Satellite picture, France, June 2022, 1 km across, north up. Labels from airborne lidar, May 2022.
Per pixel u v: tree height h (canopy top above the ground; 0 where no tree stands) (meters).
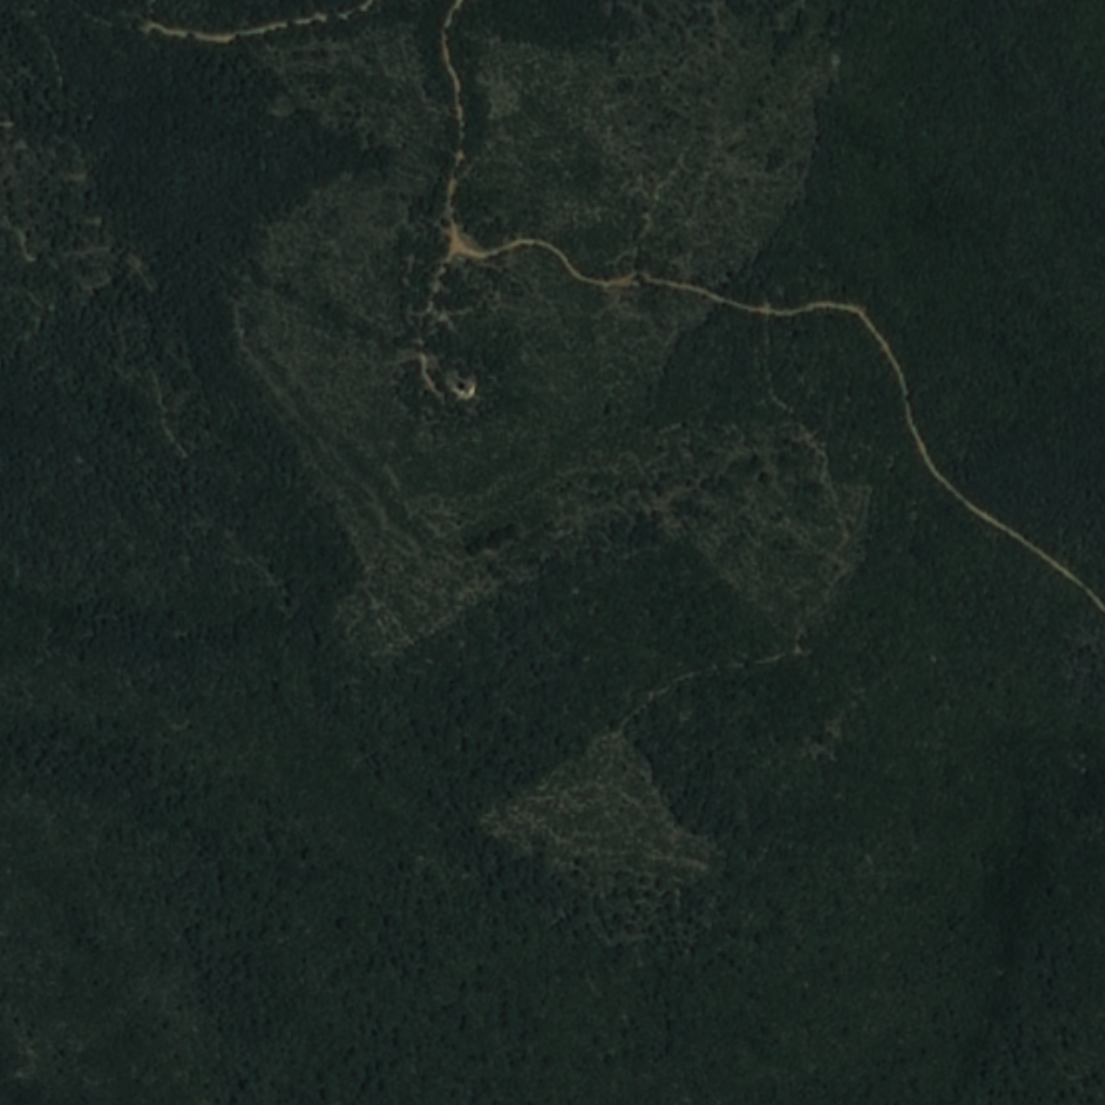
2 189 9
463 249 0
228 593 10
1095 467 10
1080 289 7
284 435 12
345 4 10
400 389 8
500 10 8
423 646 8
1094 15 8
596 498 8
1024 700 6
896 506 7
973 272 7
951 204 8
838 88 7
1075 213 8
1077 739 9
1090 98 12
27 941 6
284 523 7
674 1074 6
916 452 7
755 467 8
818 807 6
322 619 10
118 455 7
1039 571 6
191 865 7
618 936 9
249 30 6
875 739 6
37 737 11
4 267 10
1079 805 9
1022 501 8
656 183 8
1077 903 6
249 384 6
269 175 8
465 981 7
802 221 6
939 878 6
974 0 11
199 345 8
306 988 6
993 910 11
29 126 9
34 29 8
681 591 7
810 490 7
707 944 6
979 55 8
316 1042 8
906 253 9
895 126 8
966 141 7
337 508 7
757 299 10
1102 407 10
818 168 9
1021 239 7
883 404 6
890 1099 6
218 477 10
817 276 6
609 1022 6
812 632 6
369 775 6
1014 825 7
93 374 9
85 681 7
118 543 6
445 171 7
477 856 8
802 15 9
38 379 14
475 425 8
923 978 6
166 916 6
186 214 7
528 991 6
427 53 10
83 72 7
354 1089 7
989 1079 16
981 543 7
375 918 6
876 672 6
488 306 6
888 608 8
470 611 7
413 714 7
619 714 8
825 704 7
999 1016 10
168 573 8
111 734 6
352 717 8
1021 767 9
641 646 6
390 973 12
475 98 8
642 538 7
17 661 8
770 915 5
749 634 6
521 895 15
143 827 8
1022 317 6
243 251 8
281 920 7
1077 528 9
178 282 10
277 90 11
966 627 7
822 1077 6
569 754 14
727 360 7
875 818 7
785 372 7
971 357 9
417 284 7
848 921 6
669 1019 10
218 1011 11
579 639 8
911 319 6
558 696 9
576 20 6
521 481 7
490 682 7
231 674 6
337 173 9
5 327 12
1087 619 6
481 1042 6
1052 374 8
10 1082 6
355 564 9
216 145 9
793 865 7
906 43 6
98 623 12
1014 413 8
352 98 8
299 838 6
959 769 8
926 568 7
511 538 16
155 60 7
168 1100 7
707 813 14
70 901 7
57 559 7
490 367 7
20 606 8
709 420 6
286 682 6
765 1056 7
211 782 8
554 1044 5
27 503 6
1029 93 8
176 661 9
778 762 6
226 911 10
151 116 9
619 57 7
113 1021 9
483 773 14
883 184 9
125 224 6
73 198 9
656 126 6
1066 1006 8
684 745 10
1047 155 10
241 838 11
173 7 7
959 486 6
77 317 8
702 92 6
